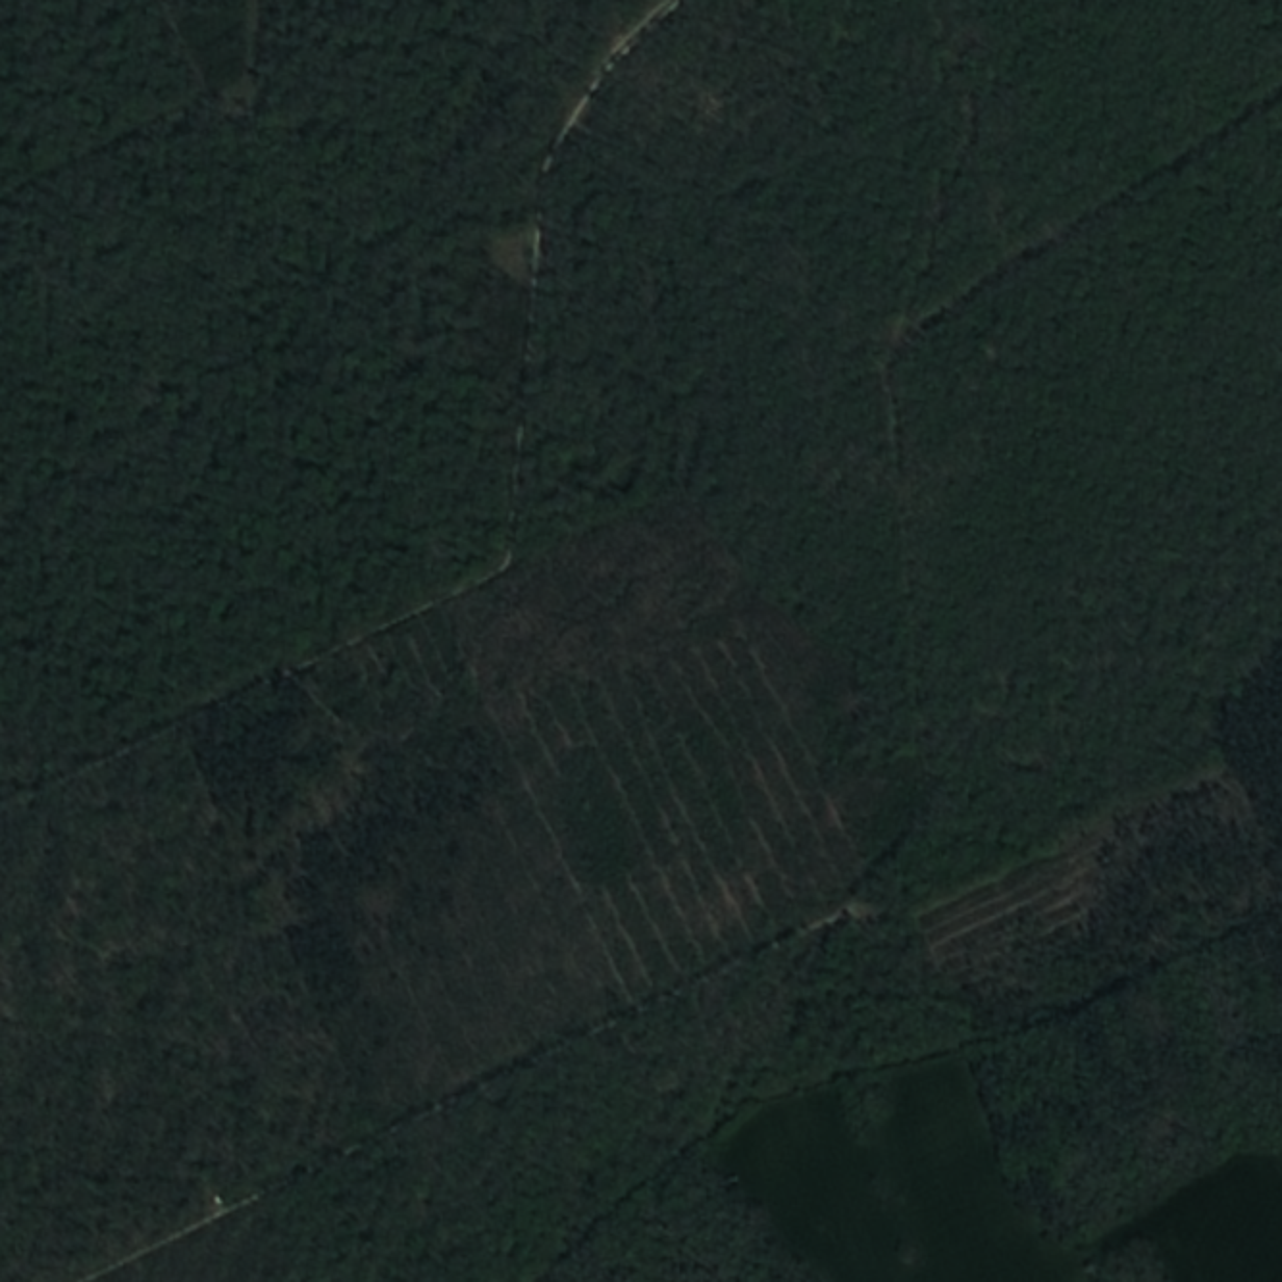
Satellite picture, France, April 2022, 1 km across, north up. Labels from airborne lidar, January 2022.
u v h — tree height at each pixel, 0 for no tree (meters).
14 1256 22
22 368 22
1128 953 12
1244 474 20
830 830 17
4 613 27
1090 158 25
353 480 19
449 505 22
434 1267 20
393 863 19
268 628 21
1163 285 20
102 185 22
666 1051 22
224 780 20
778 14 23
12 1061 24
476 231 19
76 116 23
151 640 23
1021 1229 0
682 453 20
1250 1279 0
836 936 19
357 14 25
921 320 18
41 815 22
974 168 23
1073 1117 22
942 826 19
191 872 23
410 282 25
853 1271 0
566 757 11
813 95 20
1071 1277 0
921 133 21
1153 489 18
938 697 19
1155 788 21
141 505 23
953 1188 0
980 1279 0
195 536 23
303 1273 21
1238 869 21
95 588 24
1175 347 18
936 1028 20
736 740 10
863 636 17
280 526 24
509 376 22
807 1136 0
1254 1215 0
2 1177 23
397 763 20
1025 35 21
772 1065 19
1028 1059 24
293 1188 18
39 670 23
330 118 22
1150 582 21
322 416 21
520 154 24
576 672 13
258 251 22
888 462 23
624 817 7
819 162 21
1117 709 22
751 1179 0
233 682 21
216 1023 24
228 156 20
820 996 20
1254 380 19
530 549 14
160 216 21
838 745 7
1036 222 19
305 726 20
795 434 19
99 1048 21
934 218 23
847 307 21
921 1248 0
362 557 21
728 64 20
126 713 23
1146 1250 19
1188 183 25
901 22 19
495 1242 21
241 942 24
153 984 21
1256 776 17
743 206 21
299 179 23
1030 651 23
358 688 12
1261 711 19
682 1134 19
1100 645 24
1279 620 21
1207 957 18
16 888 25
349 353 24
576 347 23
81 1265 23
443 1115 18
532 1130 24
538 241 0
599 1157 21
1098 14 22
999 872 20
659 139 23
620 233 24
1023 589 22
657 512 17
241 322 23
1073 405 18
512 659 15
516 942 13
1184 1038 21
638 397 23
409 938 14
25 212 22
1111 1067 22
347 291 25
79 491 21
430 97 21
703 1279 19
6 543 25
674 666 13
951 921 0
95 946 24
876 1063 16
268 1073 25
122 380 24
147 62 21
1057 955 8
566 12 18
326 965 19
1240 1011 21
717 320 23
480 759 17
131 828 24
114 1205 24
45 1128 21
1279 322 20
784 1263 17
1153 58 20
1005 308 18
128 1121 21
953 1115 0
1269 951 19
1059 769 24
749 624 12
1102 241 24
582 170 23
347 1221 22
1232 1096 23
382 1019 13
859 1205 0
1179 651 23
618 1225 21
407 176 22
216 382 24
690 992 19
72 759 19
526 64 25
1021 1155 15
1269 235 19
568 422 21
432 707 16
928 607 20
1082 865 0
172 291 21
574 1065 22
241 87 0
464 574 14
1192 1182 17
